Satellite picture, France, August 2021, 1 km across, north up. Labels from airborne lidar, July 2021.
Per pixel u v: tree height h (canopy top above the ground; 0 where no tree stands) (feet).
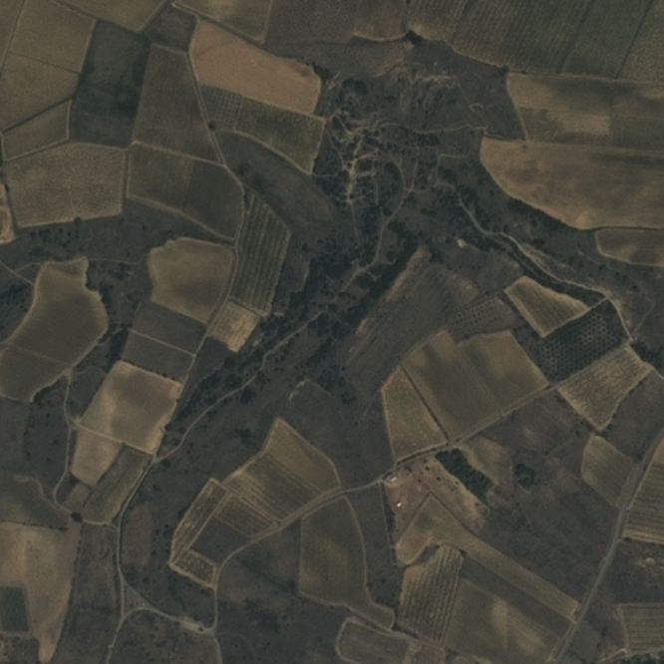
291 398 0
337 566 0
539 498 0
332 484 0
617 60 0
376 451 0
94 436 0
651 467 0
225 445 0
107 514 0
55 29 0
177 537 0
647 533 0
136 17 0
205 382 17
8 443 0
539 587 0
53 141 0
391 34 0
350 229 0
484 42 0
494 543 0
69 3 0
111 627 0
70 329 0
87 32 0
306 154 0
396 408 0
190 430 0
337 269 19
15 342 0
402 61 0
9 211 0
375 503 0
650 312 0
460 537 0
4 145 0
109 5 0
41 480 0
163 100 0
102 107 0
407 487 0
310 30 0
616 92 0
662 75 0
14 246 0
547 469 0
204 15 0
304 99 0
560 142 0
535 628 0
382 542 0
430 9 0
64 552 0
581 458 0
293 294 23
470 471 36
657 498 0
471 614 0
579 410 0
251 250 0
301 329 0
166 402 0
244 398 21
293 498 0
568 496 0
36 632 0
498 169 0
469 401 0
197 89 0
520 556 0
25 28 0
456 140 0
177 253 0
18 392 0
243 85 0
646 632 0
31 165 0
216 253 0
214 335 0
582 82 0
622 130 0
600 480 0
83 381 0
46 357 0
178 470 0
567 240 0
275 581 0
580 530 0
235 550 0
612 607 0
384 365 0
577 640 0
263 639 0
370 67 0
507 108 0
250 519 0
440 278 0
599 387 0
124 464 0
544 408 0
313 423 0
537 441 0
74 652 0
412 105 0
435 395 0
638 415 0
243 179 0
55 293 0
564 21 0
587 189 0
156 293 0
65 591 0
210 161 0
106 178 0
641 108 0
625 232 0
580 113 0
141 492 20
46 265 0
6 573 0
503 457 0
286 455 0
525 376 0
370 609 0
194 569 0
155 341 0
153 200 0
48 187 0
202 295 0
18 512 0
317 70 29
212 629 0
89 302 0
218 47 0
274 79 0
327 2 0
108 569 0
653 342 0
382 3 0
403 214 0
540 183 0
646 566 0
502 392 0
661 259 0
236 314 0
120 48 0
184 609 21
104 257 0
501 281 0
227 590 0
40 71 0
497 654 0
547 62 0
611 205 0
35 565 0
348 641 0
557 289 22
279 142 0
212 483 0
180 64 0
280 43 0
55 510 0
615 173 0
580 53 0
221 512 0
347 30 0
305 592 0
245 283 0
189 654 0
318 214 0
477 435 0
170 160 0
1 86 0
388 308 0
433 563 0
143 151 0
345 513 0
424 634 0
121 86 0
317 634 0
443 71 0
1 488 0
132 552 0
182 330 0
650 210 0
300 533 0
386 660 0
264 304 0
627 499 0
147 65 0
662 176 0
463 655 0
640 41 0
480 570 0
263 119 0
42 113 0
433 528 0
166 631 0
